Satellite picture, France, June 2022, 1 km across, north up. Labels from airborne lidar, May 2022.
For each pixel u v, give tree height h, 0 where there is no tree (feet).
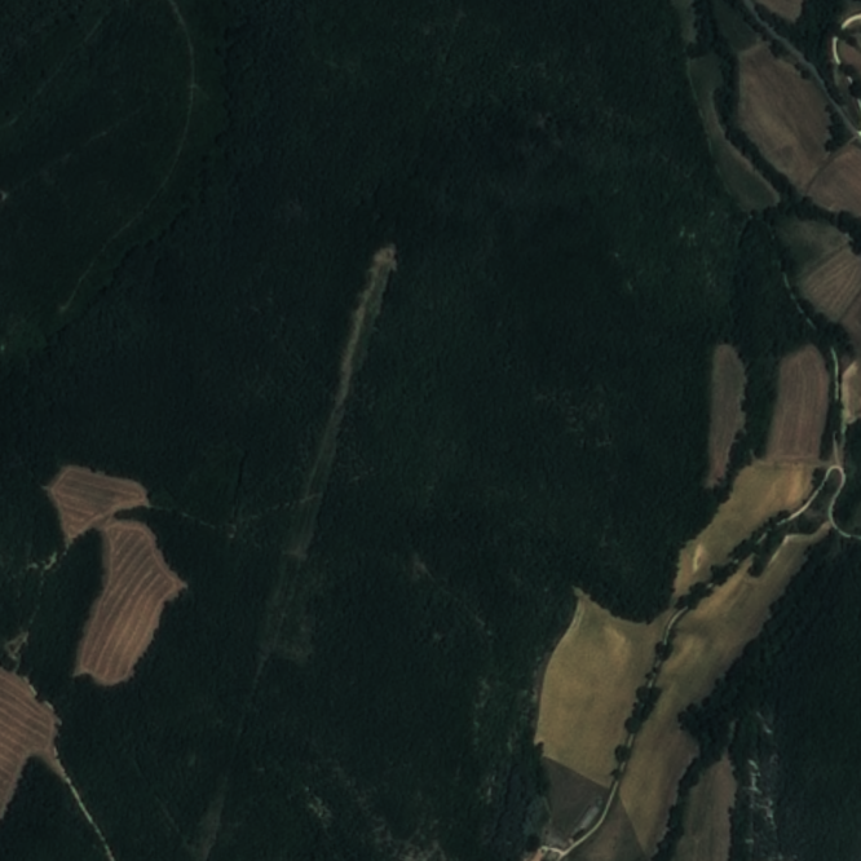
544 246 28
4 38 39
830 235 0
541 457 24
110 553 0
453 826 19
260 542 26
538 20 30
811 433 0
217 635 24
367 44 34
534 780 28
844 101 25
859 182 0
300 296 25
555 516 22
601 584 52
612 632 0
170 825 31
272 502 26
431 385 33
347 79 22
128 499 0
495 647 31
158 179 20
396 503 34
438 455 29
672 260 33
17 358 36
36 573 29
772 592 0
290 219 28
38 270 22
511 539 35
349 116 33
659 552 28
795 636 27
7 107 21
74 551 32
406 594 29
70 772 30
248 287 25
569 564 45
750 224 40
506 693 26
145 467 36
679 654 0
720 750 52
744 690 49
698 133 26
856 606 21
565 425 24
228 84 52
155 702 26
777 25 39
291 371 39
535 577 28
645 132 19
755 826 21
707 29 64
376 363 31
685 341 46
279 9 41
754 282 41
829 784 23
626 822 0
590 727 0
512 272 27
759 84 0
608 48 25
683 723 45
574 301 18
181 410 31
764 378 42
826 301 0
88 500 0
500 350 30
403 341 23
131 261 49
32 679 31
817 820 24
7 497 22
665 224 31
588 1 37
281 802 22
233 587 23
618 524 31
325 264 30
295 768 29
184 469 31
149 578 0
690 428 45
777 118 0
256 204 33
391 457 27
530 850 50
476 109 48
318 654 24
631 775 0
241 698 23
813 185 0
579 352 35
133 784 30
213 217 22
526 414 20
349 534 31
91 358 31
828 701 21
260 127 27
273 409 44
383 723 28
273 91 42
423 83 28
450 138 44
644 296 31
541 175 24
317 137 24
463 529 45
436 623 34
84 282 21
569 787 0
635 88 31
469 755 34
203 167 21
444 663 32
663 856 53
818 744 21
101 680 0
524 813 58
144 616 0
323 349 49
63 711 45
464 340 31
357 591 28
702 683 0
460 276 23
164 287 38
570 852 0
